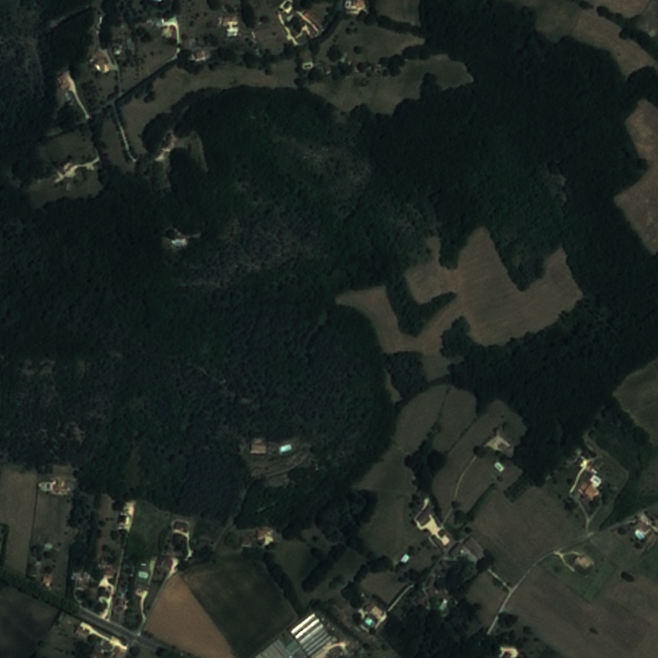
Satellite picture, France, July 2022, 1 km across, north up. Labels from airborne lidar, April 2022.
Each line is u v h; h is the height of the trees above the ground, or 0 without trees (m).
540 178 11
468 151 15
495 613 0
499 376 23
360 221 16
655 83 18
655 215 0
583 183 15
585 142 20
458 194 15
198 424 15
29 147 19
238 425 15
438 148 19
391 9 0
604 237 20
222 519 16
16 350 9
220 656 0
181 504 18
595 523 0
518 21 16
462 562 8
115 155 0
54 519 0
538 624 0
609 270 14
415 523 8
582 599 0
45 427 10
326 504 21
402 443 0
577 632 0
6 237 18
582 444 16
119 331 18
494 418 0
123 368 11
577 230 11
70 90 0
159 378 13
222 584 0
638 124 0
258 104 9
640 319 13
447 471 0
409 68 0
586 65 21
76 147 0
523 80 18
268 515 13
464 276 0
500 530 0
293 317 20
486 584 0
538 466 21
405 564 12
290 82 0
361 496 8
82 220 22
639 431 13
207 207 15
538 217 8
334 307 11
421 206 13
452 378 10
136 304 10
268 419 12
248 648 0
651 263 18
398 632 7
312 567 0
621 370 22
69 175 0
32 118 12
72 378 7
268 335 9
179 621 0
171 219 16
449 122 17
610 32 0
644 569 0
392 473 0
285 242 14
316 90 0
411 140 21
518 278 12
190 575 0
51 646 0
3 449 11
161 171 0
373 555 11
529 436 13
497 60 17
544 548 0
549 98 19
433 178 15
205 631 0
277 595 0
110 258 24
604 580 0
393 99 0
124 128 9
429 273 0
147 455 6
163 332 12
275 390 15
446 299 11
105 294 25
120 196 22
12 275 11
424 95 16
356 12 0
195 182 15
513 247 11
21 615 0
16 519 0
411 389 22
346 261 15
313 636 0
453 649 16
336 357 18
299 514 20
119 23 11
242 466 8
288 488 8
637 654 0
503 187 13
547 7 0
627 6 0
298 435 6
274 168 16
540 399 21
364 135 14
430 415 0
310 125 15
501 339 0
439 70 0
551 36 0
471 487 0
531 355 20
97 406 12
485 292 0
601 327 20
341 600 0
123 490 12
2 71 10
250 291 12
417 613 11
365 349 14
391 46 0
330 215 16
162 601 0
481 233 0
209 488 14
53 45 17
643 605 0
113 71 0
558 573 0
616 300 18
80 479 15
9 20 9
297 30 8
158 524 0
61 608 27
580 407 22
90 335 12
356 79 0
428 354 0
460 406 0
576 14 0
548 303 0
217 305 19
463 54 13
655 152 0
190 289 11
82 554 9
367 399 10
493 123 18
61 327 17
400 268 10
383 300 0
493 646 15
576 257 11
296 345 18
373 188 14
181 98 0
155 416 6
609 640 0
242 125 14
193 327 12
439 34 15
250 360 19
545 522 0
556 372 22
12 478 0
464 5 19
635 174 11
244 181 21
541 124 16
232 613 0
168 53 0
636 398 0
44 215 19
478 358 17
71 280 15
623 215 10
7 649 0
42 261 22
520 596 0
